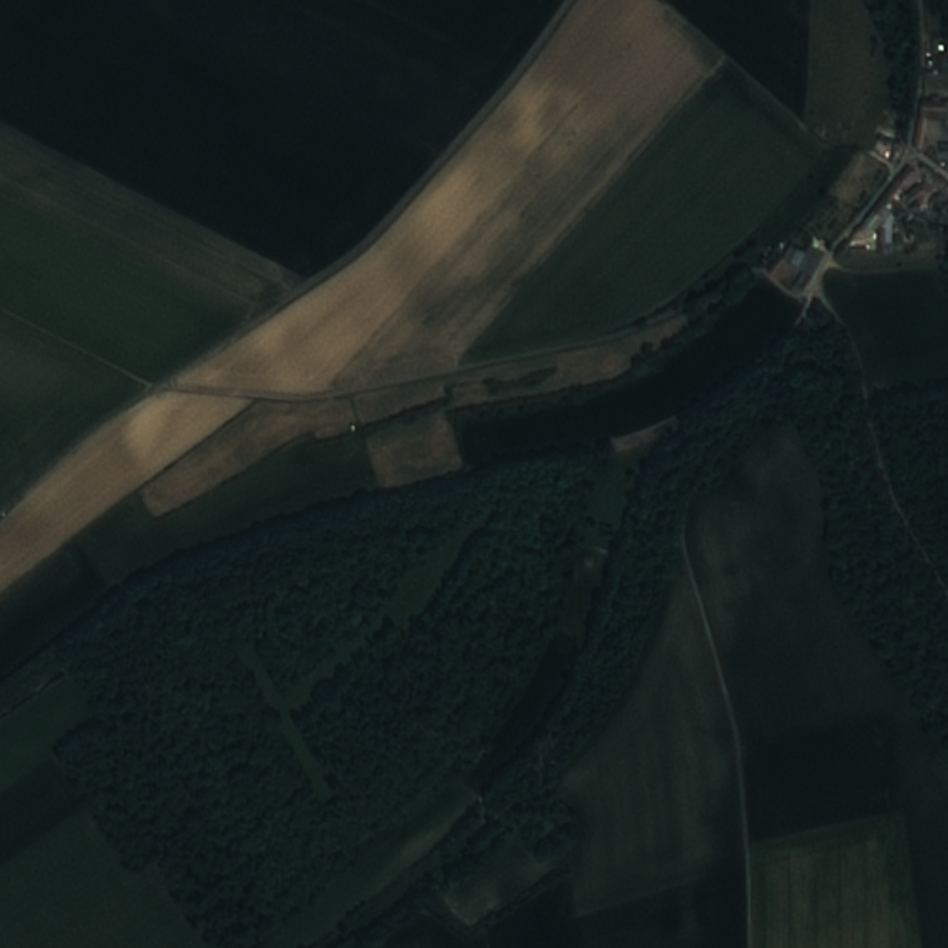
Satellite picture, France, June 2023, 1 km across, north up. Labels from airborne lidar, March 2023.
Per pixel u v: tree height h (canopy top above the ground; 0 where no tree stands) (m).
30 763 0
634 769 0
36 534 0
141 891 0
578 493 11
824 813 0
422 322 0
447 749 16
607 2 0
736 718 0
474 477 10
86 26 0
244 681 22
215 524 0
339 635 16
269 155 0
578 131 0
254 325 0
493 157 0
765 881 0
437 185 0
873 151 0
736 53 0
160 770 23
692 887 0
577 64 0
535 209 0
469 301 0
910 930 0
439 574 0
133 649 22
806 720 0
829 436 12
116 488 0
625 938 0
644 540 19
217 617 25
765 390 21
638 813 0
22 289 0
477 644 17
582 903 0
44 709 0
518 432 0
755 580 0
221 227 0
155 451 0
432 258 0
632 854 0
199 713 23
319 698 22
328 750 9
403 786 17
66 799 0
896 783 0
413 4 0
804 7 0
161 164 0
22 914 0
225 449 0
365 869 0
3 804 0
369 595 18
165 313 0
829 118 0
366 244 0
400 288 0
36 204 0
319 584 15
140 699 22
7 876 0
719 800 0
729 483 0
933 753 0
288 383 0
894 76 8
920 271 0
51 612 0
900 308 0
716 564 0
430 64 0
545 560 10
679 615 0
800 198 0
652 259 0
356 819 16
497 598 16
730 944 0
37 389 0
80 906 0
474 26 0
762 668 0
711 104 0
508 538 16
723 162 0
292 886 20
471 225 0
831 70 0
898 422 15
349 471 0
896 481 16
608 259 0
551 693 0
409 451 0
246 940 16
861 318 0
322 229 0
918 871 0
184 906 7
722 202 0
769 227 0
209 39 0
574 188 0
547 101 0
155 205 0
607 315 0
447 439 0
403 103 0
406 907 12
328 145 0
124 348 0
